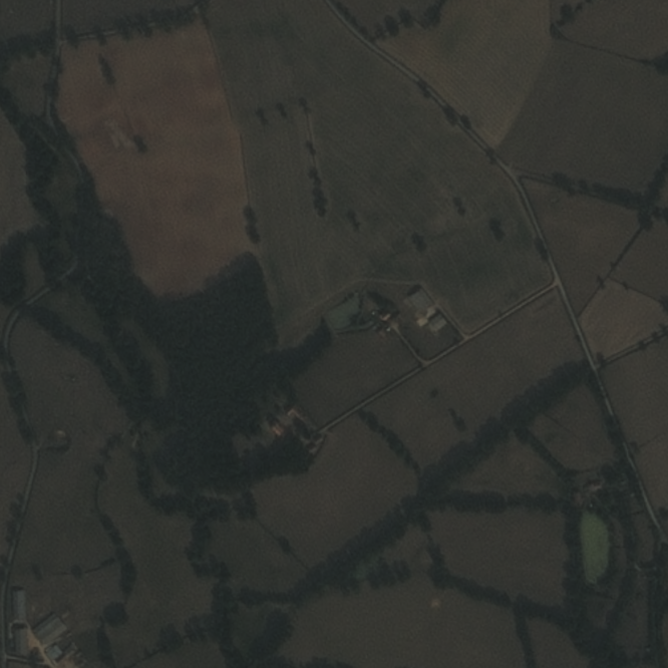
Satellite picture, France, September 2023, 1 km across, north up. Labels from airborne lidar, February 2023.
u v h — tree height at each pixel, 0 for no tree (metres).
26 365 0
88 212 19
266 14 0
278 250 0
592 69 0
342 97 0
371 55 0
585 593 7
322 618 0
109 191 0
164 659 0
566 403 0
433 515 0
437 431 0
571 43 0
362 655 0
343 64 0
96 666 0
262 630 0
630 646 0
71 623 0
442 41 0
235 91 0
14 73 0
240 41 0
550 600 0
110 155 0
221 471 19
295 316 0
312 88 0
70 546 0
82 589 0
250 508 11
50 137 19
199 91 0
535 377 0
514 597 0
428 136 0
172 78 0
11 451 0
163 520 0
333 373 0
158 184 0
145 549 0
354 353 0
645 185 0
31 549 0
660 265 0
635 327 0
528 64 0
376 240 0
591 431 0
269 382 26
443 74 0
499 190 0
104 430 0
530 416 21
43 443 0
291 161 0
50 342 0
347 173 0
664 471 0
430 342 0
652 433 0
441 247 0
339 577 21
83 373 0
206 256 0
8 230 0
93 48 0
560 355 0
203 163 0
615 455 0
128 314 23
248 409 24
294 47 0
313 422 0
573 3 0
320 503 0
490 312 0
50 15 0
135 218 0
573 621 16
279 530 0
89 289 17
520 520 0
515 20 0
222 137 0
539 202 0
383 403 0
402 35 0
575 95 0
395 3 0
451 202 0
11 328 0
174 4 0
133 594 0
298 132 0
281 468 18
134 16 0
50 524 0
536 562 0
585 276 0
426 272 0
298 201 0
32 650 0
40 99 0
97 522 0
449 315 0
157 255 0
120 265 17
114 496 0
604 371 0
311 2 0
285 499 0
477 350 0
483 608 0
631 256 0
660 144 0
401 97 0
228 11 0
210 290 19
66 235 0
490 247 0
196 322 18
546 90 0
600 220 0
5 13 0
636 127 0
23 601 0
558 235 0
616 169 0
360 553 21
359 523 0
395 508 0
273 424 0
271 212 0
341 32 0
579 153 0
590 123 0
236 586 0
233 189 0
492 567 0
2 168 0
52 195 0
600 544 0
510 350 0
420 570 0
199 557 14
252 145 0
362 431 0
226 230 0
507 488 0
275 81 0
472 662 0
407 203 0
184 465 14
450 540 0
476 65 0
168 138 0
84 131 0
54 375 0
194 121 0
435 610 0
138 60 0
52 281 10
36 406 0
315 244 0
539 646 0
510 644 0
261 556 0
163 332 23
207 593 0
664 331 10
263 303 26
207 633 23
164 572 0
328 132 0
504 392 0
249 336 24
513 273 0
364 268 0
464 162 0
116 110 0
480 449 20
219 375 21
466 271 0
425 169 0
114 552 0
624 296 0
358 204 0
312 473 0
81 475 0
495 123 0
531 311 0
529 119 0
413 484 0
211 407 23
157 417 26
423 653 0
